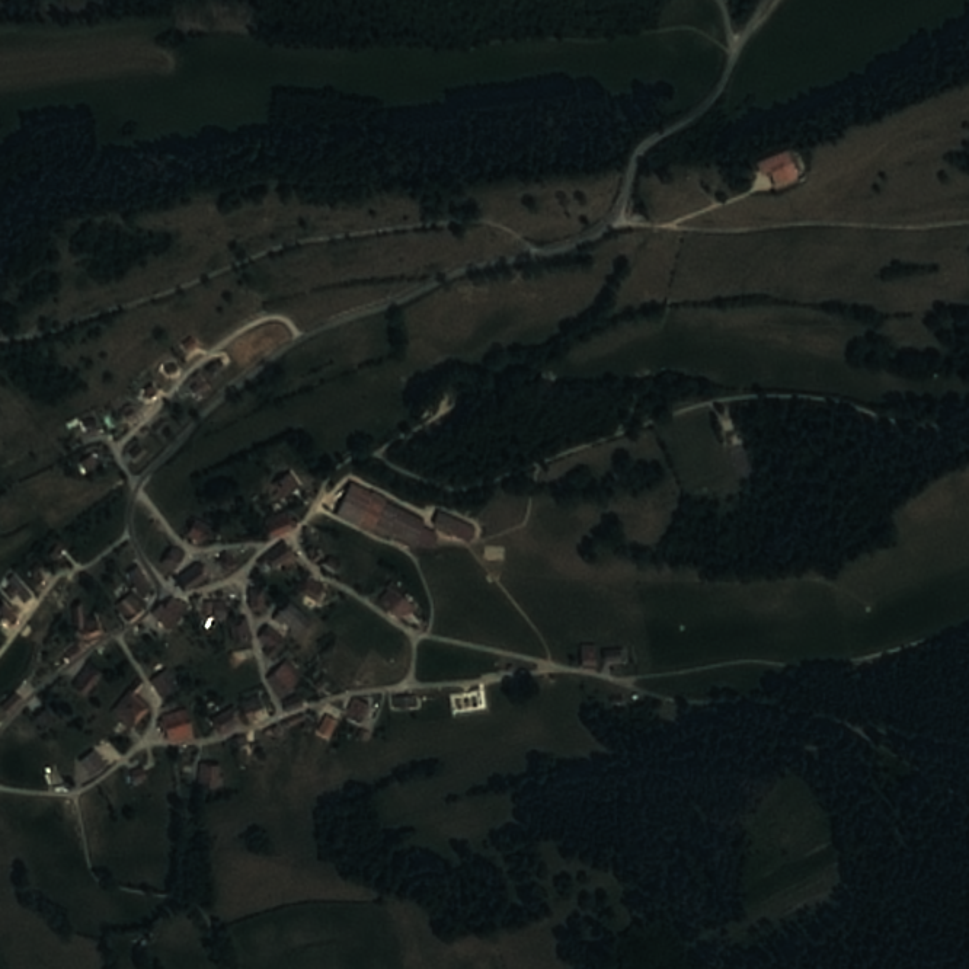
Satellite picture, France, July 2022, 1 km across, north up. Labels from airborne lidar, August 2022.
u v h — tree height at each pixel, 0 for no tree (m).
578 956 27
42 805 0
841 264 0
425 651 0
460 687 0
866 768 33
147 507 0
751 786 28
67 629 15
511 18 6
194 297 0
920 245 0
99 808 0
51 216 22
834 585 0
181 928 0
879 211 0
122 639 0
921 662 11
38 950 0
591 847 19
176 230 0
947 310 16
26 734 0
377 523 0
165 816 0
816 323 0
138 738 0
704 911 33
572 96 32
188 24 0
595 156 17
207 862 16
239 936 0
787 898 0
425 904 19
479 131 28
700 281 0
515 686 23
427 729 0
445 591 0
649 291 0
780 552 26
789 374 0
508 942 0
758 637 0
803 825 0
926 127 0
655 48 0
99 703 14
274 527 0
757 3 8
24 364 13
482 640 0
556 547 0
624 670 0
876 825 31
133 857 0
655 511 0
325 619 8
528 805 21
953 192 0
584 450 0
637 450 0
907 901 20
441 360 0
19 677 0
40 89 0
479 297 0
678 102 0
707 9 0
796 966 18
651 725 8
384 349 0
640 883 9
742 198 0
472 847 8
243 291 0
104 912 0
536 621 0
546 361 14
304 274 0
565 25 7
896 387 0
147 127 0
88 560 0
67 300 0
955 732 21
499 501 0
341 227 0
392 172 11
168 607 0
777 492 10
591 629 0
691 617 0
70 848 0
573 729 0
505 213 0
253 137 25
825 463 18
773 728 27
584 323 14
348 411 0
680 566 22
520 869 14
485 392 24
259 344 0
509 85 0
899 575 0
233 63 0
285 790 0
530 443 7
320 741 0
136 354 0
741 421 17
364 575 0
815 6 0
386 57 0
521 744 0
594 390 17
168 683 0
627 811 25
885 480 21
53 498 0
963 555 0
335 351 0
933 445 27
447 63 0
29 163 14
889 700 20
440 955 0
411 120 28
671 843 7
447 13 7
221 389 0
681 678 0
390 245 0
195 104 0
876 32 0
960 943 27
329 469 20
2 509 0
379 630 0
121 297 0
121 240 7
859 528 16
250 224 0
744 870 19
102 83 0
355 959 0
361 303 0
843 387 0
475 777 0
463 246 0
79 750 0
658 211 0
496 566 0
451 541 0
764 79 0
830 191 0
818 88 0
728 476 0
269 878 0
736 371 0
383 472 22
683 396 12
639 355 0
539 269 20
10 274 15
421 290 0
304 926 0
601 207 0
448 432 8
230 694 0
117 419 10
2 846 0
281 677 0
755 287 0
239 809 0
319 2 16
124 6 18
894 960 31
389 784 11
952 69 15
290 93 12
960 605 0
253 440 0
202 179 19
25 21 16
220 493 22
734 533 17
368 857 16
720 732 21
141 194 18
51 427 0
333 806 23
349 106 14
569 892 9
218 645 9
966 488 0
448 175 26
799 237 0
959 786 30
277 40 19
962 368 6
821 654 0
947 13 0
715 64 0
